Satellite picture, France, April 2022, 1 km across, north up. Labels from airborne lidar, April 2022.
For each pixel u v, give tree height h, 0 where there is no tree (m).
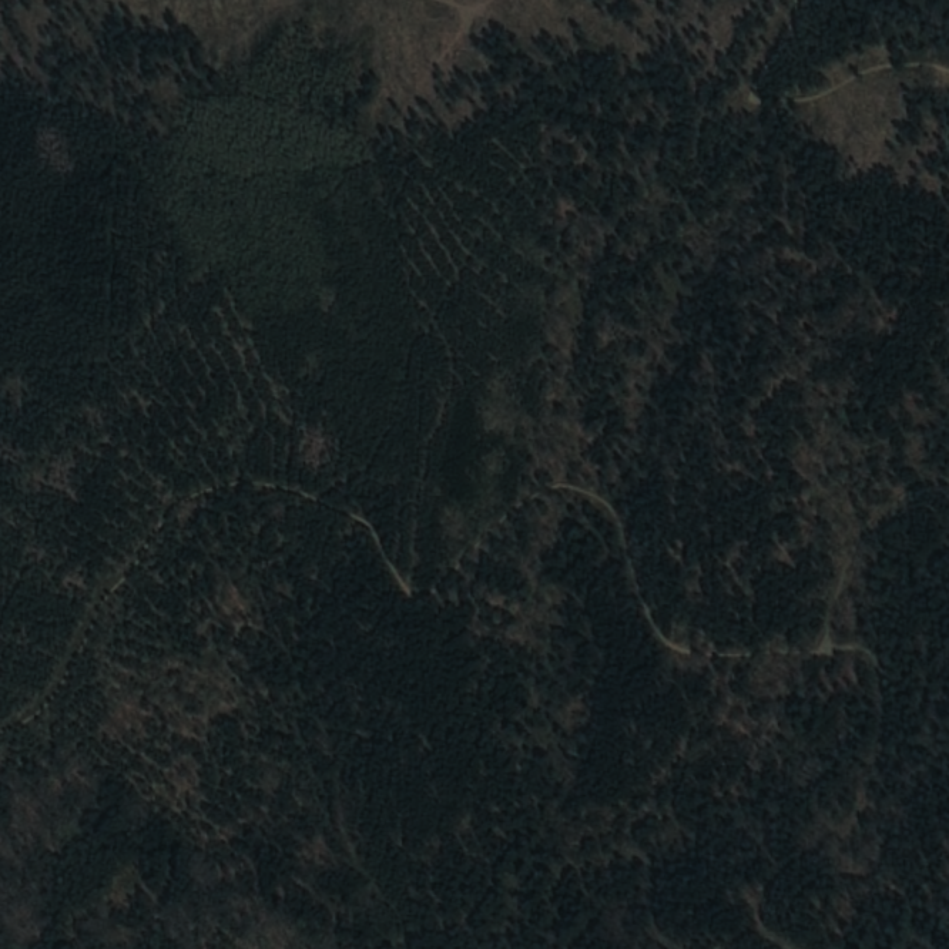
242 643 15
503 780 26
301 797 28
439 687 24
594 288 11
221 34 0
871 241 19
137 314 21
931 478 6
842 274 20
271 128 13
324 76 10
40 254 16
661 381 14
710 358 8
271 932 37
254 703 14
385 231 12
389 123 0
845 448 22
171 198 13
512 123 27
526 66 23
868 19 15
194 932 32
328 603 22
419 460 14
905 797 18
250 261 12
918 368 24
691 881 17
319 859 26
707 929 19
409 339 15
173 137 12
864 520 19
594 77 25
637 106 33
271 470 21
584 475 14
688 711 19
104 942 27
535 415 12
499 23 0
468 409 10
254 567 11
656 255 20
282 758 18
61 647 12
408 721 23
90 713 21
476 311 15
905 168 0
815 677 14
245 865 26
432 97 0
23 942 27
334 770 24
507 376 8
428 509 14
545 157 13
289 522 19
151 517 18
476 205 17
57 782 31
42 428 18
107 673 20
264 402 20
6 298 22
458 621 20
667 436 7
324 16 0
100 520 23
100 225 21
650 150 39
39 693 17
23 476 16
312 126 17
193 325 19
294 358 13
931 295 20
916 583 21
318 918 31
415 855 18
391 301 10
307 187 13
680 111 19
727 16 0
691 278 11
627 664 19
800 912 23
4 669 15
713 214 16
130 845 34
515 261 15
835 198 24
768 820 18
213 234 15
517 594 26
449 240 14
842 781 27
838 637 16
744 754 11
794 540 22
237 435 19
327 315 13
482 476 6
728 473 22
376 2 0
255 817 24
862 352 17
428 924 30
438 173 12
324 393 14
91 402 18
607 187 21
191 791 15
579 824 11
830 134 0
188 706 19
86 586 13
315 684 26
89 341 20
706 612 20
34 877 29
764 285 14
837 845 26
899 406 19
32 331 23
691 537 19
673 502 15
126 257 16
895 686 15
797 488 25
